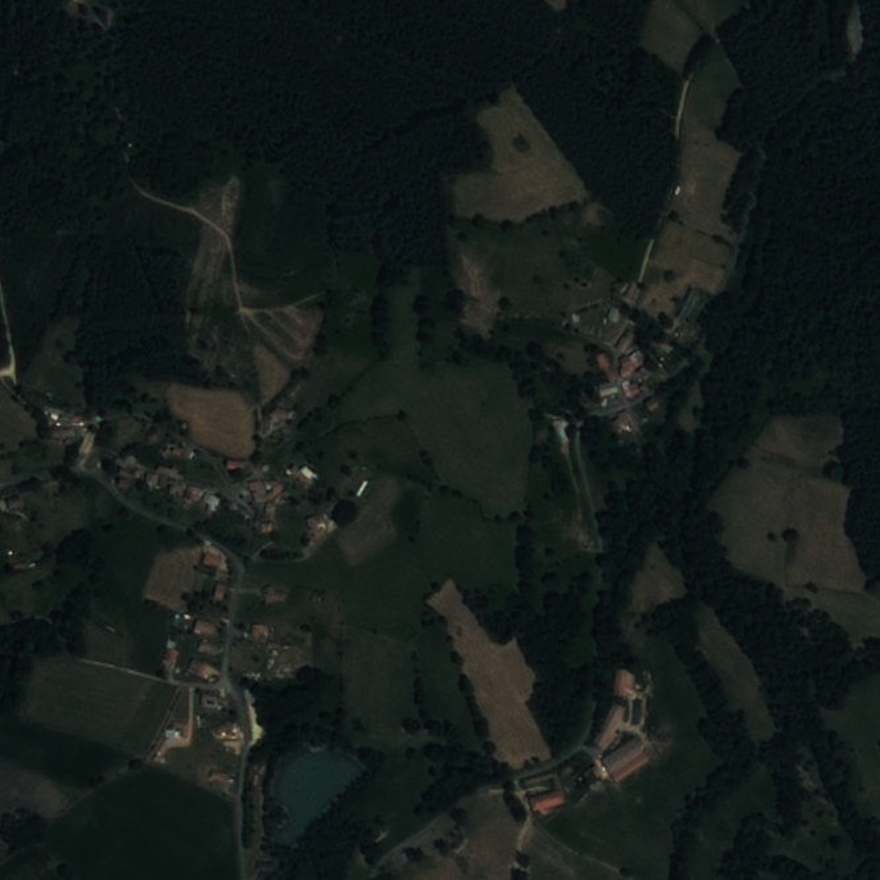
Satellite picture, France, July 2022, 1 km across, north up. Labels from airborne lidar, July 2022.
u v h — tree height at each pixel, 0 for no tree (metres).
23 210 25
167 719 0
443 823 0
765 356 17
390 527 0
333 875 20
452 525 0
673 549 18
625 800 0
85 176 13
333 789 0
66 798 0
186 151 12
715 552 11
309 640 0
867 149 16
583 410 10
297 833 0
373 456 0
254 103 19
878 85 12
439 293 0
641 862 0
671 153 29
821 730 18
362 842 17
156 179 14
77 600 14
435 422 0
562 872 0
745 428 14
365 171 30
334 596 0
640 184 26
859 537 23
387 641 0
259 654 0
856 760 0
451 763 18
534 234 0
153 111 17
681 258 0
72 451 13
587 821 0
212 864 0
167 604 0
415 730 22
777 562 0
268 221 0
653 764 0
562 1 0
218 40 15
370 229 29
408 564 0
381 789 0
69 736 0
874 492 26
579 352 0
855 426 21
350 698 0
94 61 14
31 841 15
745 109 17
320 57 7
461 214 0
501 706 0
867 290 13
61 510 0
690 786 0
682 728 0
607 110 19
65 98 16
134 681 0
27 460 0
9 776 0
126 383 18
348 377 0
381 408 0
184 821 0
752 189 15
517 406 0
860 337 17
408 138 27
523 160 0
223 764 0
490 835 0
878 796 0
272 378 0
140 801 0
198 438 0
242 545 11
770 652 17
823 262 14
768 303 17
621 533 23
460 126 30
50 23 17
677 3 0
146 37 17
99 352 7
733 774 17
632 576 20
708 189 0
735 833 0
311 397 0
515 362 9
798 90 25
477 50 23
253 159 31
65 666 0
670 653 0
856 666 26
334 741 20
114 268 6
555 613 13
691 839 21
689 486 0
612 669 16
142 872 0
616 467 8
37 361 0
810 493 0
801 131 24
